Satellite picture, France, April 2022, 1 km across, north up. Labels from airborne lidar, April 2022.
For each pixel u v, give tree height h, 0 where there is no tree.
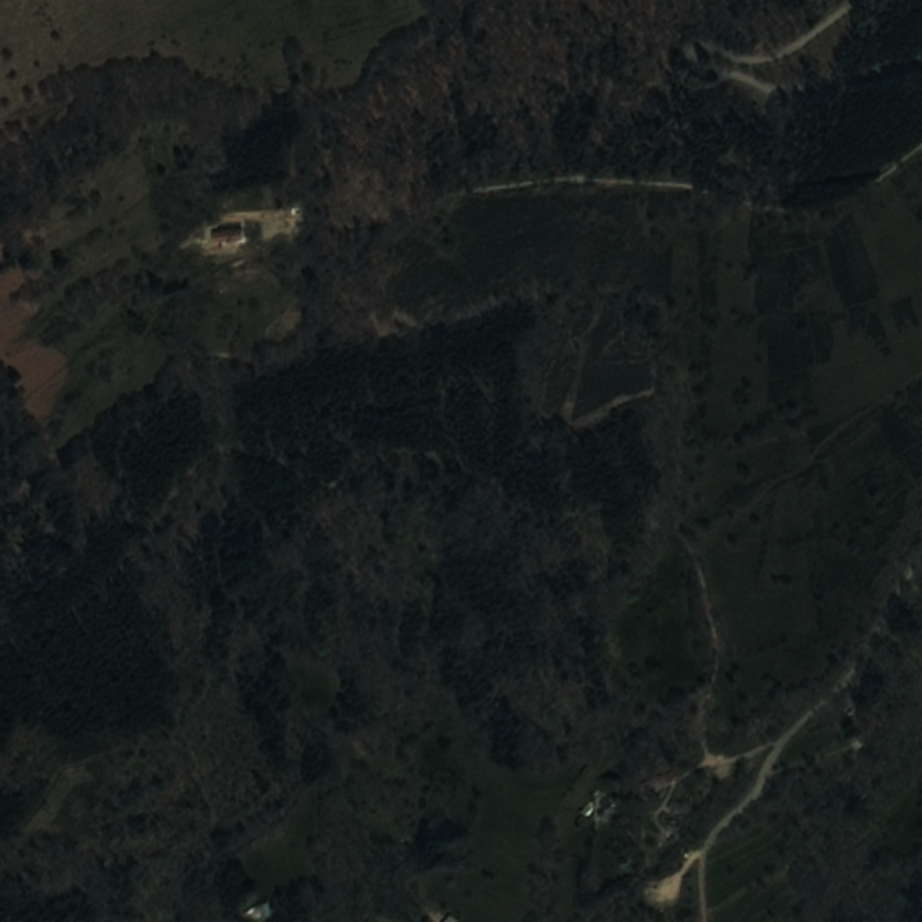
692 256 0
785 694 18
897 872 21
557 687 13
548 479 21
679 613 0
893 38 18
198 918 24
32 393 0
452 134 21
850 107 23
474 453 23
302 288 20
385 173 18
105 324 0
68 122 14
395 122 30
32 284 9
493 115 16
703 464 14
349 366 24
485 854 0
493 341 22
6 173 23
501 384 23
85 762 0
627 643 0
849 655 18
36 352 0
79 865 30
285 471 13
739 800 6
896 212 0
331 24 0
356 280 27
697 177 17
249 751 7
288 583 23
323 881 15
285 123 28
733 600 0
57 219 0
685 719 17
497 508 24
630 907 6
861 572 0
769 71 8
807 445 0
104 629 21
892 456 0
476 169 28
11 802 20
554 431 23
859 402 0
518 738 32
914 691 32
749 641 0
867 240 0
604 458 15
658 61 6
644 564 22
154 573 22
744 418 0
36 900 19
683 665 0
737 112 11
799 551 0
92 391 0
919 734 24
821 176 20
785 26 20
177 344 19
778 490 0
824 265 0
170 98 14
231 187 25
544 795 0
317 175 30
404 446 21
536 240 0
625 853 12
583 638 27
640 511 14
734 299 0
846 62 25
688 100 26
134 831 25
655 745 20
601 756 24
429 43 26
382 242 28
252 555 44
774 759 0
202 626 18
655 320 18
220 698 8
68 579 23
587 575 12
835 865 31
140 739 12
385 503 32
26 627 19
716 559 0
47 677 20
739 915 0
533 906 11
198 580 30
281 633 15
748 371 0
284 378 23
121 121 30
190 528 13
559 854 15
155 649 23
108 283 14
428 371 23
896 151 17
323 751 31
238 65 0
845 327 0
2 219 36
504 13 27
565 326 24
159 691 21
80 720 20
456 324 19
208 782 8
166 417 23
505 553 23
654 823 0
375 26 0
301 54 19
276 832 20
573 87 19
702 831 11
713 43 14
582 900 15
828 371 0
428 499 31
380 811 8
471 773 0
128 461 24
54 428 12
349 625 23
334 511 23
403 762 18
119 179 0
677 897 0
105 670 22
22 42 0
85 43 0
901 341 0
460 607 22
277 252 15
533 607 26
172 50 0
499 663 27
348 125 27
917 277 0
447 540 27
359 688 25
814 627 0
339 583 24
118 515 23
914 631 26
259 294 0
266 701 14
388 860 25
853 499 0
